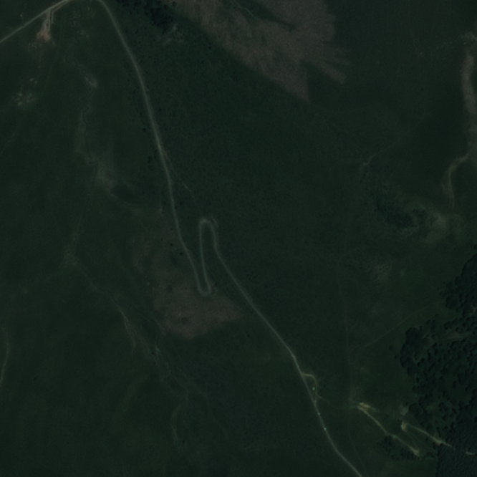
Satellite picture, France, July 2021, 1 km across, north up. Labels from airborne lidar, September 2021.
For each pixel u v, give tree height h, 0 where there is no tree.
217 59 0
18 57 0
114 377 0
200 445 0
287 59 0
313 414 0
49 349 0
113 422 0
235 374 0
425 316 0
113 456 0
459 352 23
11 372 0
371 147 0
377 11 0
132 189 0
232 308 0
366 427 0
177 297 0
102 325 0
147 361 0
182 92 0
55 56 0
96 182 0
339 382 0
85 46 0
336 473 0
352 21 0
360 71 0
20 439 0
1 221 0
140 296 0
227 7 0
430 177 0
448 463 16
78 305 0
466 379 21
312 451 0
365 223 0
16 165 0
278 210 0
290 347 0
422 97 0
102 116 0
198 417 0
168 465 0
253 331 0
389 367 0
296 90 0
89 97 0
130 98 0
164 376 0
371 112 0
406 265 0
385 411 0
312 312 0
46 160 0
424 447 0
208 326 0
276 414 0
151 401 0
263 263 0
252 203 0
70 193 0
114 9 0
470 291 23
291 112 0
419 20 0
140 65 0
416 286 0
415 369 24
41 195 0
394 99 0
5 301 0
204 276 0
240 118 0
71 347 0
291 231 0
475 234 0
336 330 0
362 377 0
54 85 0
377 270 0
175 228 0
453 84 0
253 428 0
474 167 0
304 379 0
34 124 0
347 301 0
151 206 0
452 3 0
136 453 0
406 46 0
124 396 0
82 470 0
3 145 0
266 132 0
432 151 0
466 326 21
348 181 0
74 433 0
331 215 0
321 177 0
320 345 0
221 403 0
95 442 0
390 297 0
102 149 0
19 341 0
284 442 0
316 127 0
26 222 0
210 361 0
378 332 0
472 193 0
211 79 0
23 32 0
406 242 0
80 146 0
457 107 0
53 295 0
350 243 0
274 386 0
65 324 0
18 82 0
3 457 0
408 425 0
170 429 0
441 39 0
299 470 0
